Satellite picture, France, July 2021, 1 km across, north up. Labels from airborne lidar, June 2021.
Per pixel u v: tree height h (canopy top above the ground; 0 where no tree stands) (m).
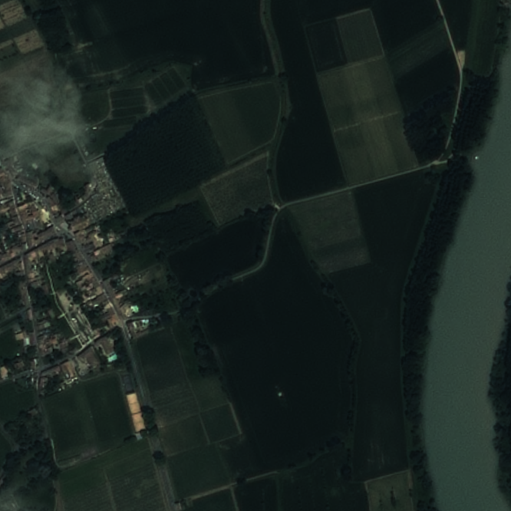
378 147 0
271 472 0
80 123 0
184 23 0
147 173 34
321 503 0
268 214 16
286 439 0
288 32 0
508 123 0
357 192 0
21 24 0
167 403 0
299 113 0
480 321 0
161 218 14
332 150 0
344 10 0
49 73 0
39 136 0
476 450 0
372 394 0
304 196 0
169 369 0
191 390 0
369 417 0
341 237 0
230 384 0
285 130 0
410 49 0
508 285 0
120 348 15
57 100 0
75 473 0
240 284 0
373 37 0
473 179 23
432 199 0
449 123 0
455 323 0
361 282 0
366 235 0
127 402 0
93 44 0
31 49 0
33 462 16
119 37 0
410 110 0
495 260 0
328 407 0
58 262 9
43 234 0
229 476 0
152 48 0
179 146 27
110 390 0
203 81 0
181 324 0
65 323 0
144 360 0
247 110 0
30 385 7
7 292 10
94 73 0
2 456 0
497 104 0
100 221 7
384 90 0
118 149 30
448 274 0
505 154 0
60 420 0
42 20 21
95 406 0
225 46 0
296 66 0
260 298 0
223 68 0
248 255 0
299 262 0
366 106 0
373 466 0
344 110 0
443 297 0
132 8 0
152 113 0
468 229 0
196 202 7
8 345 0
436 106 30
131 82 0
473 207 0
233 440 0
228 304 0
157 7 0
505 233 0
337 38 0
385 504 0
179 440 0
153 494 0
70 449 0
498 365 13
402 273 0
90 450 0
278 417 0
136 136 31
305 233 0
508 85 0
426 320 17
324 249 0
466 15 0
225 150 0
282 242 0
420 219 0
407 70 0
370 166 0
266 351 0
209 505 0
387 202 0
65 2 0
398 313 0
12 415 0
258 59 0
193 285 0
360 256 0
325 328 0
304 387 0
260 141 0
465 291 0
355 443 0
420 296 25
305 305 0
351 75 0
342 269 0
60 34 21
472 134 30
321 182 0
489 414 0
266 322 0
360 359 0
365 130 0
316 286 0
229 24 0
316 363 0
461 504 0
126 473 0
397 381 0
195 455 0
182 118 29
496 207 0
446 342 0
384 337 0
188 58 0
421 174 0
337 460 0
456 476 0
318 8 0
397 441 0
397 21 0
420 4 0
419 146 22
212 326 0
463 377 0
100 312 9
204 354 25
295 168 0
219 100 0
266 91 0
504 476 0
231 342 0
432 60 0
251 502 0
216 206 0
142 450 0
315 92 0
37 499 0
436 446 0
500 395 16
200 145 24
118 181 26
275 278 0
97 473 0
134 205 28
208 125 25
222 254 0
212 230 16
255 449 0
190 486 0
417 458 21
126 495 0
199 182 25
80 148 0
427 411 0
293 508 0
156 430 27
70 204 33
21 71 0
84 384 0
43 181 0
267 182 0
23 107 0
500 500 0
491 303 0
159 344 0
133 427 0
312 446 0
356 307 0
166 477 0
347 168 0
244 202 0
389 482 0
